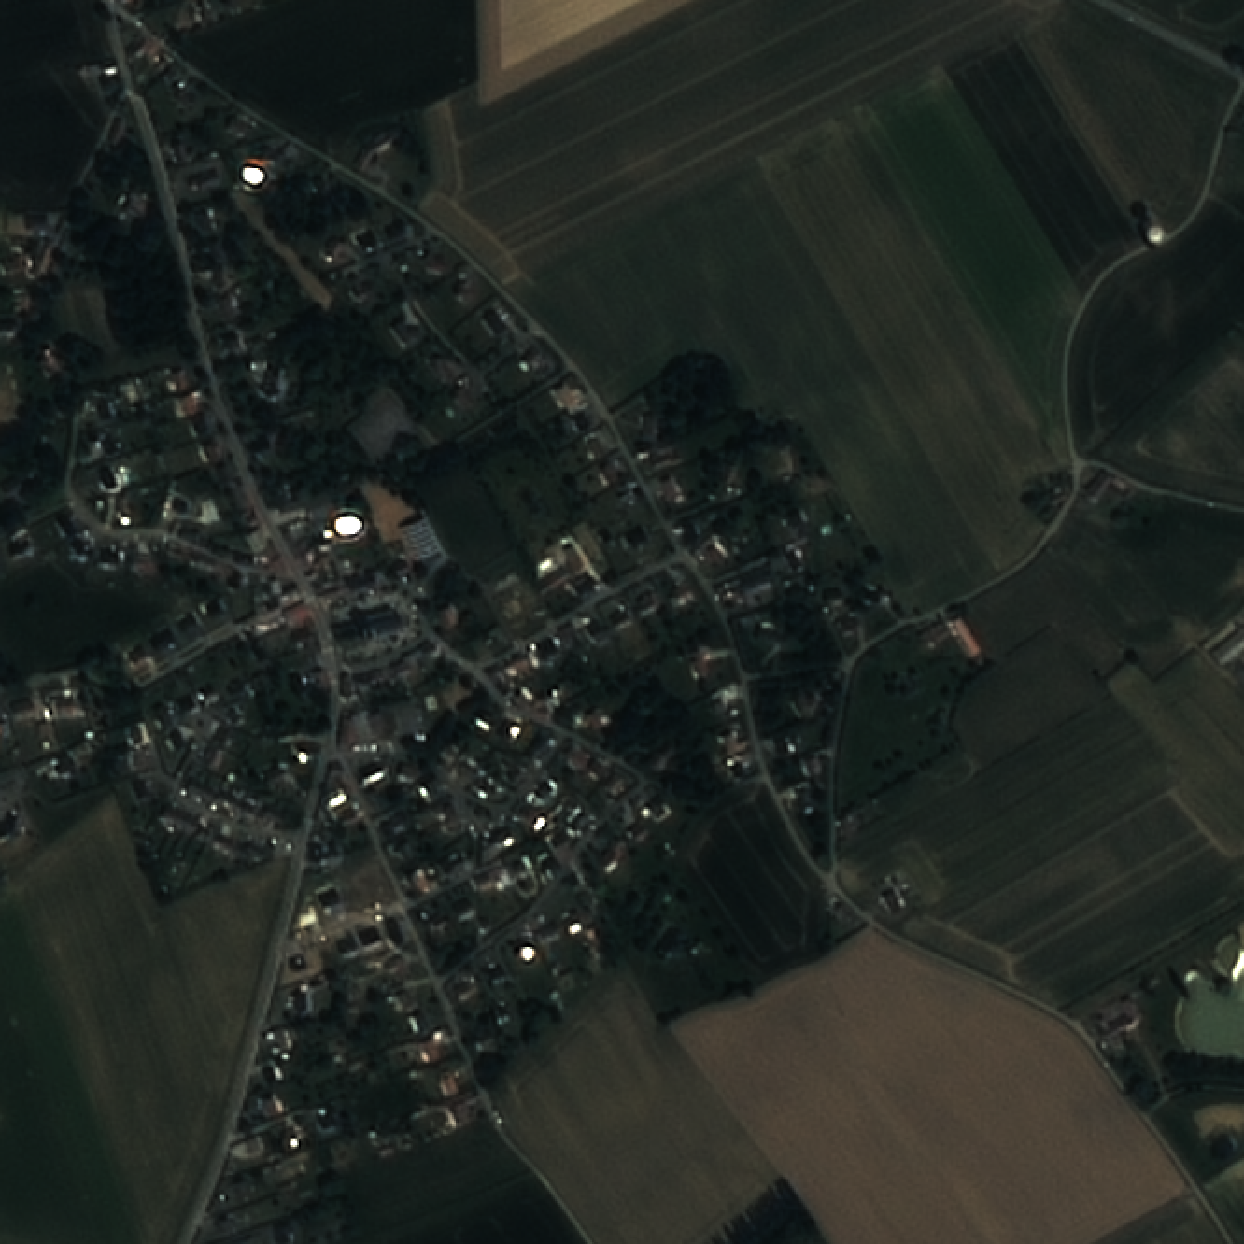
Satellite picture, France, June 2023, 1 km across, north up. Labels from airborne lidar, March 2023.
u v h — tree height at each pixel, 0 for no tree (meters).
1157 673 0
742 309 0
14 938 0
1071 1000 0
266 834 0
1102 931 0
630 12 0
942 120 0
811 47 0
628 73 0
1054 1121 0
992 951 0
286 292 11
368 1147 0
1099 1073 0
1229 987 10
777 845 0
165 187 0
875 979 0
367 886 0
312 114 0
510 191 0
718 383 22
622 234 0
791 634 9
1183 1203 0
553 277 0
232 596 0
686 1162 0
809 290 0
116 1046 0
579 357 0
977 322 0
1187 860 0
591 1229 0
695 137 0
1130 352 0
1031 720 0
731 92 0
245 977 0
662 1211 0
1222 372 0
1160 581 0
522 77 0
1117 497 0
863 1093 0
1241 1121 0
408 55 0
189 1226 0
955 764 0
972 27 0
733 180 0
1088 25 0
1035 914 0
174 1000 0
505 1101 0
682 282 0
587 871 9
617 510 0
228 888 0
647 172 0
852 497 0
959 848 0
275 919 0
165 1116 0
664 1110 0
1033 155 0
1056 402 0
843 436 0
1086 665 0
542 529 0
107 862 0
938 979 0
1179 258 0
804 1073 0
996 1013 0
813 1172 0
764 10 0
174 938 0
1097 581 0
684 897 9
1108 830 0
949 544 0
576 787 0
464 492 0
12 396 0
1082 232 0
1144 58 0
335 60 0
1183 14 0
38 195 0
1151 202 0
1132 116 0
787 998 0
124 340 15
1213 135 0
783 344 0
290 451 13
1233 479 0
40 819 0
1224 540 0
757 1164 0
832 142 0
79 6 0
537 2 0
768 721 15
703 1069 0
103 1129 0
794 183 0
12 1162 0
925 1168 0
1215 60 0
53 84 0
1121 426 0
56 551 0
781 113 0
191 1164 0
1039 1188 0
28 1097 0
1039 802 0
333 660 0
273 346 7
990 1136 0
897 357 0
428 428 0
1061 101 0
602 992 0
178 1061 0
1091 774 0
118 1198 0
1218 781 0
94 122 0
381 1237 0
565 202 0
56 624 0
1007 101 0
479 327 0
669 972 0
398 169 0
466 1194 0
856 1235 0
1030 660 0
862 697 0
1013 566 0
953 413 0
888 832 0
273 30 0
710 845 0
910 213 0
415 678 0
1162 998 0
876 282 0
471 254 0
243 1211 0
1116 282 0
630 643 0
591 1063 0
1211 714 0
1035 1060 0
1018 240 0
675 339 0
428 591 0
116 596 0
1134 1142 0
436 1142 0
